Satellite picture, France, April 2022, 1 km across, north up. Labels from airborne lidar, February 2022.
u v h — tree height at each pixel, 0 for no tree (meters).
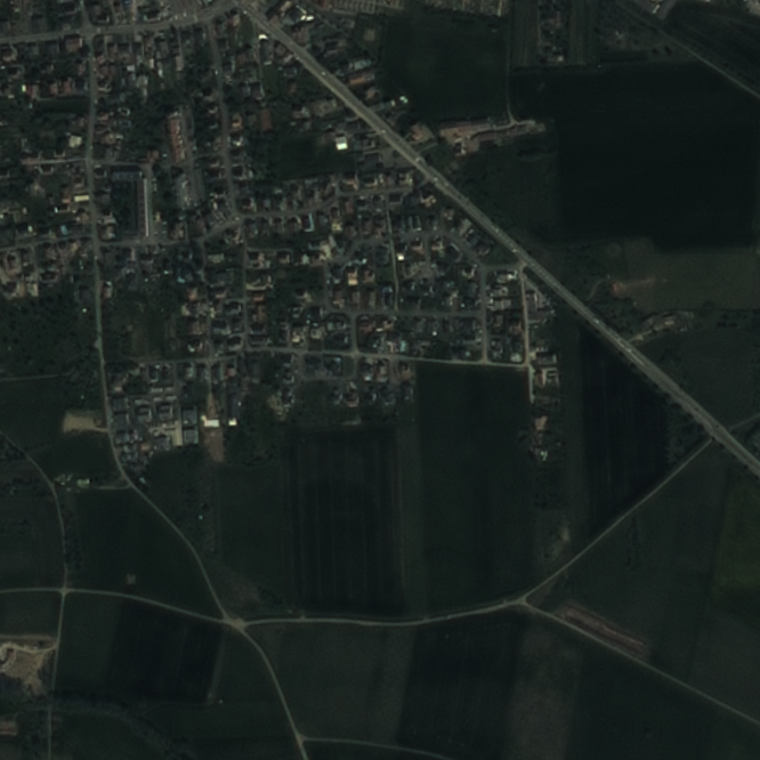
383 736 0
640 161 0
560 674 0
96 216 0
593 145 0
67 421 0
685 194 0
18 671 0
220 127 9
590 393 0
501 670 0
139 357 0
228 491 0
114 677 0
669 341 0
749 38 0
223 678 0
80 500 0
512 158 0
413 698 0
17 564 0
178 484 0
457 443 0
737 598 0
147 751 0
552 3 7
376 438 0
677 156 0
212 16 0
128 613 0
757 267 0
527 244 0
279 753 0
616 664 0
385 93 0
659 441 0
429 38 0
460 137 0
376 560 0
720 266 0
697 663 0
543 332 0
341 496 0
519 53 0
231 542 0
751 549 0
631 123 0
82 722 0
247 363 8
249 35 0
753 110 0
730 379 0
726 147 0
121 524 0
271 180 7
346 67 0
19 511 0
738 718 0
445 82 0
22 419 0
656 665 0
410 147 0
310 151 0
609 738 0
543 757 0
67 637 0
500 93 0
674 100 0
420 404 0
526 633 0
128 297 0
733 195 0
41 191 0
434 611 0
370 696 0
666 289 0
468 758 0
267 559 0
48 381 0
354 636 0
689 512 0
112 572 0
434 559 0
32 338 0
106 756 0
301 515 0
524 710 0
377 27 0
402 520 0
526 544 0
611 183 0
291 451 0
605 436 0
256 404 7
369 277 0
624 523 0
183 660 0
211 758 0
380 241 0
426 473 0
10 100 0
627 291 0
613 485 0
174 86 0
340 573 0
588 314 0
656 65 0
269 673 0
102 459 0
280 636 0
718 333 0
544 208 0
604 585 0
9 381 0
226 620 0
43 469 0
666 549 0
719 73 0
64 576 0
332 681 0
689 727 0
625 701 0
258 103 11
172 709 0
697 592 0
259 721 0
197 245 9
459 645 0
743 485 0
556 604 0
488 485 0
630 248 0
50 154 0
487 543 0
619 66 0
